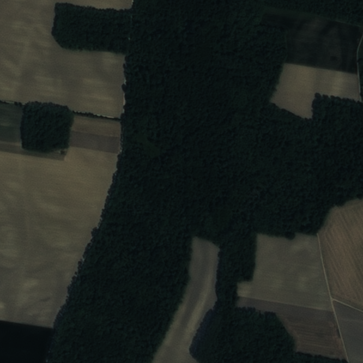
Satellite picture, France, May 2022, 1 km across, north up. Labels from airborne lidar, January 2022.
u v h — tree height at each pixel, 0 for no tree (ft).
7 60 0
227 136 61
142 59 24
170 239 55
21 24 0
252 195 28
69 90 0
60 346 72
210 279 0
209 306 0
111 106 0
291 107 0
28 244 0
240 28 39
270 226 93
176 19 55
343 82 0
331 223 0
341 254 0
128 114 52
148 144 0
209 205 64
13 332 0
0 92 0
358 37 0
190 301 0
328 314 0
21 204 0
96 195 0
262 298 0
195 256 0
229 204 67
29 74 0
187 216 71
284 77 0
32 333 0
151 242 56
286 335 65
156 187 68
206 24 92
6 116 0
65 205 0
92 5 0
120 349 65
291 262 0
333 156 86
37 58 0
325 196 57
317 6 68
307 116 0
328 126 77
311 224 83
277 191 67
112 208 70
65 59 0
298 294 0
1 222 0
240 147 76
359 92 0
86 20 49
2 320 0
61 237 0
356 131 80
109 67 0
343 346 0
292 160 49
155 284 77
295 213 100
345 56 0
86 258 59
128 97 74
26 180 0
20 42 0
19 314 0
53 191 0
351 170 83
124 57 0
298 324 0
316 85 0
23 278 0
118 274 57
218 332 77
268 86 55
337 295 0
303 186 59
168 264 64
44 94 0
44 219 0
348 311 0
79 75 0
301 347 0
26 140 55
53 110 82
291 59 0
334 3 86
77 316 74
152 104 68
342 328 0
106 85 0
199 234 77
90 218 0
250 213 85
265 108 74
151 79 63
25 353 0
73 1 0
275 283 0
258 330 91
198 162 68
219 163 49
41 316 0
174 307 72
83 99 0
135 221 75
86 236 0
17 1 0
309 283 0
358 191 30
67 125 67
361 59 24
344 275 0
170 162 62
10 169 0
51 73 0
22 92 0
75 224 0
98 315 76
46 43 0
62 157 0
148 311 50
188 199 71
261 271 0
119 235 62
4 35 0
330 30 0
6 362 0
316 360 23
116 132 0
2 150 0
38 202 0
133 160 71
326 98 60
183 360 0
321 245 0
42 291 0
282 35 63
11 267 0
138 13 71
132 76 76
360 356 0
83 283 83
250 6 67
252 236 82
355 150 60
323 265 0
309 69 0
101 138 0
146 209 43
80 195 0
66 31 41
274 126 77
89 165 0
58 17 48
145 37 79
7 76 0
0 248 0
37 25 0
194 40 98
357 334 0
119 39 51
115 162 0
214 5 69
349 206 0
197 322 0
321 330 0
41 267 0
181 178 73
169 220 57
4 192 0
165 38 62
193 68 73
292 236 72
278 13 0
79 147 0
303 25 0
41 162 0
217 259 0
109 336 82
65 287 0
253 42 76
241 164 64
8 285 0
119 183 67
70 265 0
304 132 84
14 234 0
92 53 0
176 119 65
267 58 88
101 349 67
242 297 0
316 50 0
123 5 0
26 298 0
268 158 0
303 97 0
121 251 83
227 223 0
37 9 0
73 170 0
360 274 0
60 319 75
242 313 66
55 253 0
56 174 0
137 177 65
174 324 0
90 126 0
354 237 0
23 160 0
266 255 0
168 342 0
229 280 72
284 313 0
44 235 0
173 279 83
